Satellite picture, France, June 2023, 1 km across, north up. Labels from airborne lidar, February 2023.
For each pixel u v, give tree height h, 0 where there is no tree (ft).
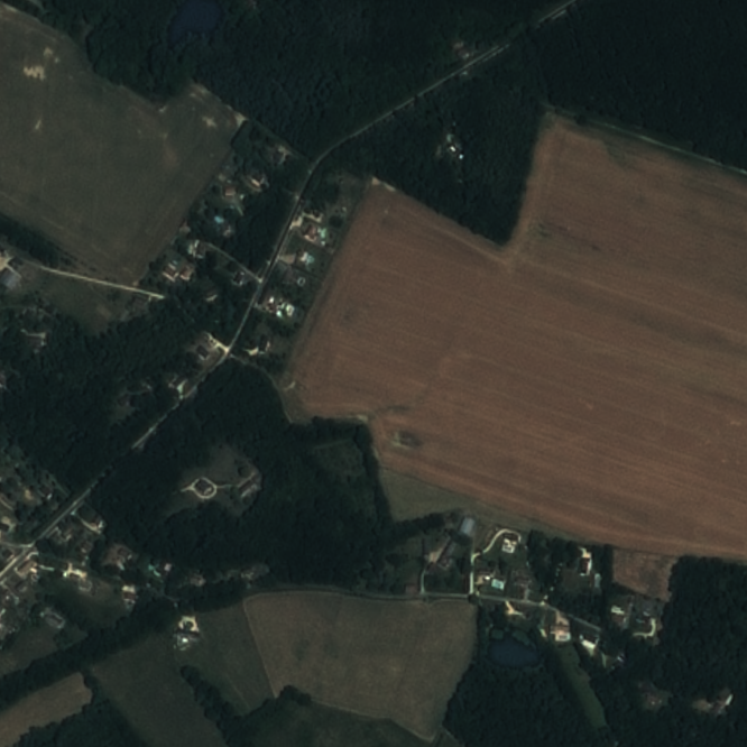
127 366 53
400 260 0
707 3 59
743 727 70
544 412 0
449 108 63
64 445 76
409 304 0
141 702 0
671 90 57
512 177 61
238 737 67
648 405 0
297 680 0
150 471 83
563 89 64
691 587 58
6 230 49
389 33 70
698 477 0
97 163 0
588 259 0
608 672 60
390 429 0
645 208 0
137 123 0
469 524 0
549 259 0
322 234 0
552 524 0
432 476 0
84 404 86
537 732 69
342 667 0
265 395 62
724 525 0
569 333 0
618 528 0
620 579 0
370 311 0
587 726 65
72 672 45
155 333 43
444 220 0
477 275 0
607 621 33
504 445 0
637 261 0
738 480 0
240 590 50
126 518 76
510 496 0
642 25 62
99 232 0
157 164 0
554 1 52
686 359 0
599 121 0
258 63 72
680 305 0
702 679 72
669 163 0
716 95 61
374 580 31
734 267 0
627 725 58
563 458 0
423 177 69
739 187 0
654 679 73
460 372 0
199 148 0
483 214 71
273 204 51
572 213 0
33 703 0
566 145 0
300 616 0
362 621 0
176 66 60
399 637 0
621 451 0
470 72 20
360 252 0
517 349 0
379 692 0
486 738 59
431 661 0
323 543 68
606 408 0
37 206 0
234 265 31
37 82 0
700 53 59
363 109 52
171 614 40
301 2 67
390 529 54
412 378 0
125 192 0
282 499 61
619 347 0
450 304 0
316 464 55
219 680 0
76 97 0
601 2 64
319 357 0
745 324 0
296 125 69
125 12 73
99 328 0
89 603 0
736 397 0
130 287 0
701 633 75
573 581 0
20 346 28
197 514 62
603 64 56
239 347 18
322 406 0
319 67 79
